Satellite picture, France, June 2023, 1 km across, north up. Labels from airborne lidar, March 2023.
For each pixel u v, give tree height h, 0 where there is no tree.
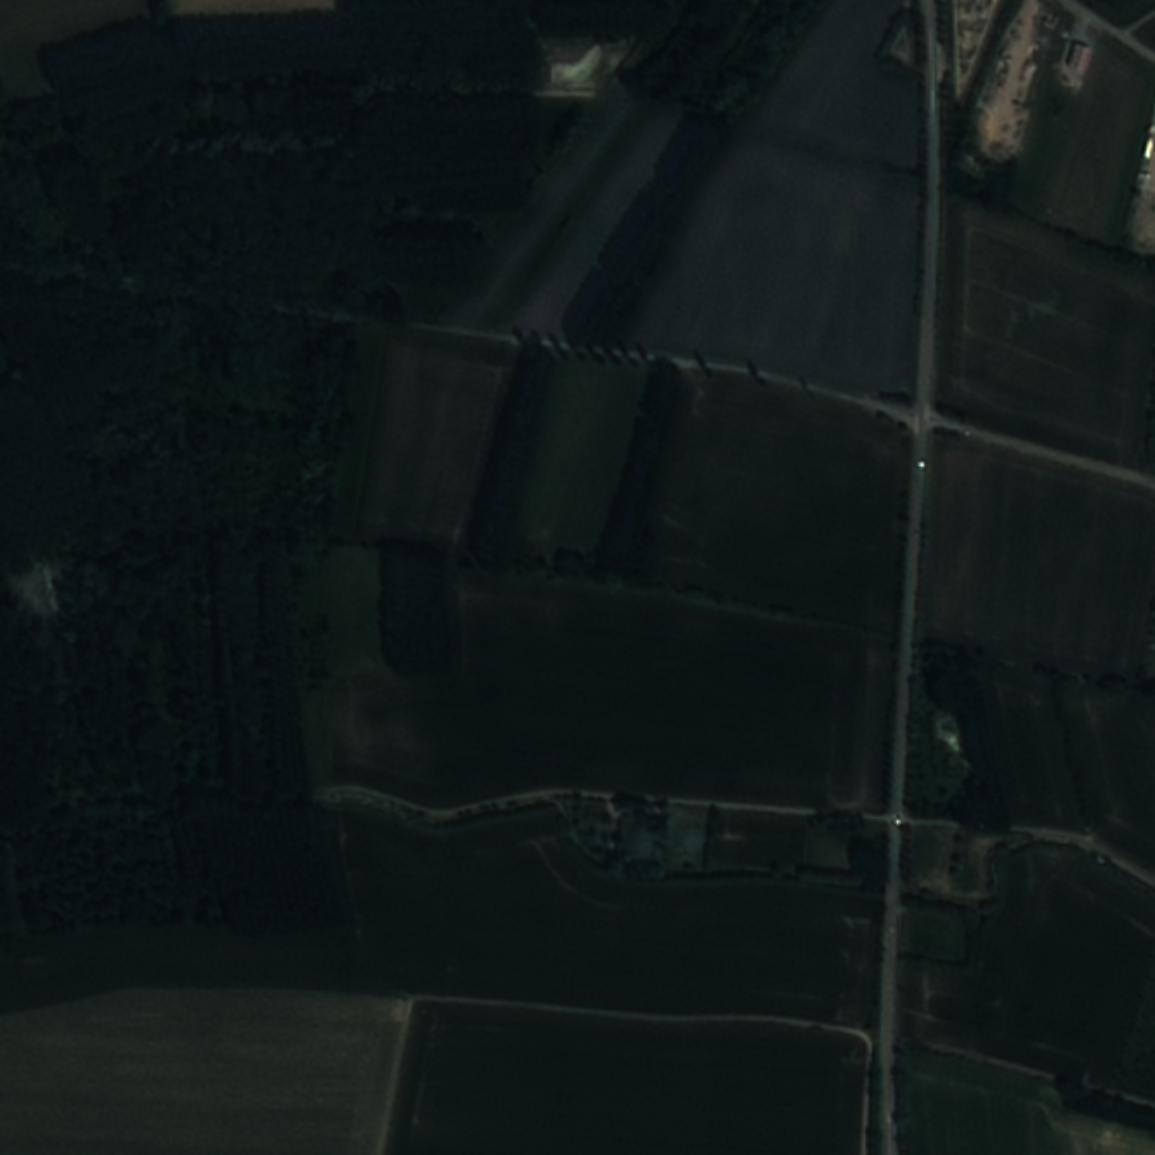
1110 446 0
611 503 0
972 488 0
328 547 7
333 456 12
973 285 0
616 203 0
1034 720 0
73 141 34
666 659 0
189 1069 0
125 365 27
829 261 0
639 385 0
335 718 0
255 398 17
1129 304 0
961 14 0
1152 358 0
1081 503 0
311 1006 0
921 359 0
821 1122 0
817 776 0
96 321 25
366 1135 0
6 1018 0
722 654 0
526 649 0
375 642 0
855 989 0
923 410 0
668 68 18
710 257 0
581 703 0
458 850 0
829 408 0
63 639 30
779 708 0
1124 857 0
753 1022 0
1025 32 0
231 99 32
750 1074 0
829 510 0
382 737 0
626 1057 0
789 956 0
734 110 7
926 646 12
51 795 21
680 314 0
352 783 0
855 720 0
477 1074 0
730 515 0
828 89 0
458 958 0
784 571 0
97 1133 0
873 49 0
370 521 0
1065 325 0
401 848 0
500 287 0
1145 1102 0
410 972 0
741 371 0
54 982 0
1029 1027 0
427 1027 0
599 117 0
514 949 0
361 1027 0
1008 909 0
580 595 0
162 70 36
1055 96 0
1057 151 0
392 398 0
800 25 8
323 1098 0
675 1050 0
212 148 26
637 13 38
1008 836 0
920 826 0
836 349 0
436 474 0
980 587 0
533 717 0
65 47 0
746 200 0
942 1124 0
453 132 39
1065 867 0
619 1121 0
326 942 0
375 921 0
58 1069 0
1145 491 0
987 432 0
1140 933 0
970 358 0
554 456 0
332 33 36
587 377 0
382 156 38
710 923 0
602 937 0
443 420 0
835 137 0
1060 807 0
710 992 0
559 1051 0
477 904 0
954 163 12
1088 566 0
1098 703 0
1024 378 0
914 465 0
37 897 12
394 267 34
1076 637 0
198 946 0
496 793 0
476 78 22
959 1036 0
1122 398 0
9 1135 0
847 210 0
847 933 0
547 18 36
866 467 0
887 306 0
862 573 0
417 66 31
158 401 21
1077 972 0
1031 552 0
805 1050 0
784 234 0
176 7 0
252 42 36
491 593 0
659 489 0
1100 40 0
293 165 37
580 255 0
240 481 7
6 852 21
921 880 0
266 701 17
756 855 0
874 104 0
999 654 0
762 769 0
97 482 32
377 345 0
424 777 0
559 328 0
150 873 14
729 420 0
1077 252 0
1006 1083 0
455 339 0
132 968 0
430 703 0
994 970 0
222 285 36
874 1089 9
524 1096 0
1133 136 0
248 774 36
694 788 0
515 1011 0
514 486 33
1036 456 0
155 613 32
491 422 0
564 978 0
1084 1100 12
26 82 0
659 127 0
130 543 27
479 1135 0
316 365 16
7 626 22
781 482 0
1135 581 0
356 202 37
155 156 36
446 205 23
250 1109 0
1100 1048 0
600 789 0
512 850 0
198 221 37
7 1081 0
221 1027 0
